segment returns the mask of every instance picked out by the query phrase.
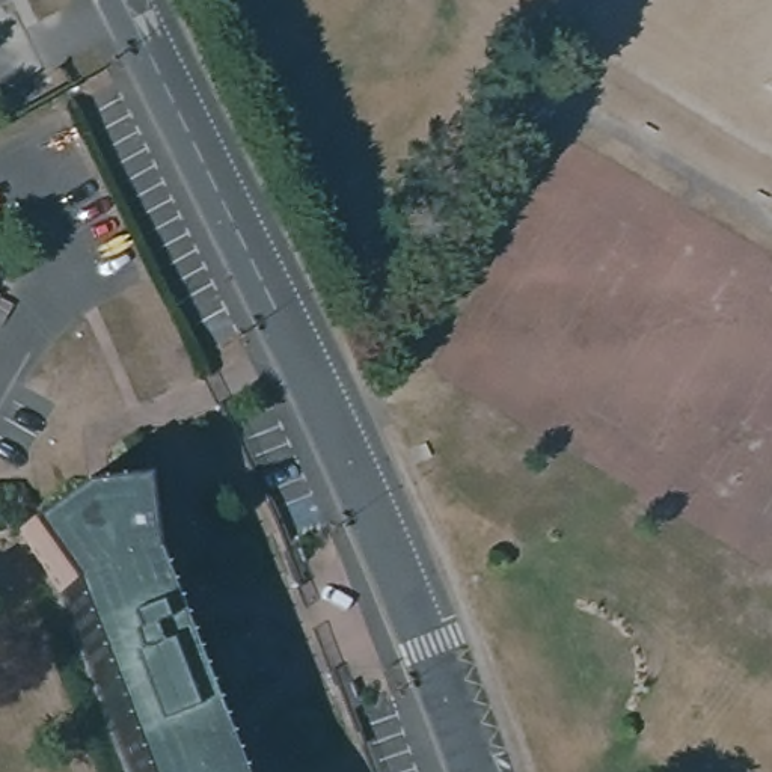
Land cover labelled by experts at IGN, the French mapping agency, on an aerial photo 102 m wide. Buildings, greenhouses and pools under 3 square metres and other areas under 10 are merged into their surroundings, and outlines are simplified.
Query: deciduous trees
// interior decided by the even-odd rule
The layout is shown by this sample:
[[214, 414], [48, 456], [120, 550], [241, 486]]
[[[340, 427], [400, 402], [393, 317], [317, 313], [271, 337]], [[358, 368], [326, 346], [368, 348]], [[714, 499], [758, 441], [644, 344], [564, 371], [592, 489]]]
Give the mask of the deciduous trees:
[[0, 271], [6, 286], [15, 286], [24, 277], [30, 277], [42, 265], [42, 241], [30, 223], [21, 220], [18, 202], [0, 202]]
[[229, 413], [241, 422], [259, 416], [259, 395], [253, 392], [253, 386], [244, 386], [232, 395]]
[[66, 748], [57, 736], [63, 718], [51, 715], [33, 733], [33, 742], [27, 748], [33, 766], [30, 772], [121, 772], [112, 736], [90, 739], [87, 751], [78, 754]]
[[133, 220], [124, 193], [118, 190], [103, 160], [103, 151], [87, 127], [87, 118], [81, 115], [81, 109], [72, 109], [69, 115], [81, 139], [87, 142], [100, 172], [106, 175], [109, 193], [115, 196], [127, 223], [127, 238], [139, 247], [160, 299], [166, 302], [181, 332], [196, 377], [208, 377], [211, 371], [202, 344], [196, 341], [181, 305], [175, 302], [148, 241], [142, 238], [142, 229]]
[[51, 669], [60, 672], [69, 709], [87, 706], [97, 697], [84, 660], [72, 660], [66, 651], [51, 654], [51, 636], [42, 624], [18, 624], [0, 606], [0, 709], [18, 703], [24, 691], [36, 691]]
[[0, 486], [0, 531], [21, 528], [27, 519], [33, 519], [27, 513], [30, 501], [21, 492], [15, 492], [12, 486]]
[[588, 51], [585, 39], [573, 36], [570, 42], [555, 39], [555, 48], [546, 60], [534, 57], [534, 51], [525, 45], [525, 24], [516, 12], [510, 12], [489, 36], [489, 63], [476, 69], [470, 78], [473, 100], [458, 109], [461, 127], [455, 130], [455, 136], [428, 136], [422, 142], [410, 142], [410, 157], [398, 166], [407, 184], [383, 181], [380, 223], [389, 238], [395, 238], [395, 253], [389, 256], [389, 283], [383, 305], [371, 317], [368, 311], [362, 311], [359, 271], [347, 268], [341, 256], [332, 253], [332, 238], [326, 226], [335, 220], [335, 214], [326, 208], [326, 190], [308, 184], [299, 175], [299, 112], [293, 103], [286, 103], [283, 87], [271, 78], [268, 60], [256, 54], [256, 36], [253, 30], [247, 30], [235, 0], [166, 0], [175, 21], [184, 21], [193, 30], [208, 66], [205, 81], [229, 124], [238, 151], [250, 151], [256, 163], [250, 175], [290, 253], [299, 253], [305, 259], [305, 268], [323, 299], [320, 317], [332, 332], [338, 326], [347, 332], [365, 380], [380, 395], [389, 395], [398, 386], [404, 386], [407, 377], [422, 365], [422, 362], [410, 356], [404, 341], [422, 338], [422, 332], [428, 332], [437, 320], [455, 323], [455, 302], [470, 296], [486, 280], [486, 271], [492, 265], [492, 235], [501, 226], [516, 232], [516, 223], [522, 220], [537, 187], [549, 178], [540, 169], [552, 142], [546, 139], [546, 133], [537, 130], [537, 124], [525, 121], [525, 106], [516, 97], [543, 90], [552, 100], [567, 100], [573, 93], [582, 93], [591, 84], [591, 75], [597, 72], [597, 54]]

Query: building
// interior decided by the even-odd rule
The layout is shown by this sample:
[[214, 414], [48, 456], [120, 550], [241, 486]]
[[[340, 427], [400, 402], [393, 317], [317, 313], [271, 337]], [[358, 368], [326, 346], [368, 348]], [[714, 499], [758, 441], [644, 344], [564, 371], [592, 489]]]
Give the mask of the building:
[[42, 519], [33, 519], [27, 519], [21, 528], [21, 543], [42, 564], [51, 585], [48, 597], [54, 597], [57, 612], [72, 624], [84, 648], [84, 660], [97, 697], [106, 703], [109, 727], [121, 736], [124, 754], [136, 772], [250, 772], [250, 757], [244, 751], [244, 742], [226, 703], [232, 697], [247, 697], [250, 685], [238, 679], [235, 654], [226, 648], [223, 618], [208, 615], [202, 594], [190, 594], [178, 582], [172, 555], [160, 534], [154, 473], [124, 470], [115, 476], [97, 476], [69, 486], [63, 501], [57, 501]]

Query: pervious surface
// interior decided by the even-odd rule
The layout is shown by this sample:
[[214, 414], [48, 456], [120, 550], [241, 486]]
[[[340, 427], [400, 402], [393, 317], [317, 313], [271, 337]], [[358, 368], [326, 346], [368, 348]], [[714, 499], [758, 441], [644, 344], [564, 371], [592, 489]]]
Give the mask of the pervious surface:
[[760, 139], [748, 127], [733, 124], [715, 106], [703, 103], [685, 87], [672, 93], [679, 106], [724, 130], [730, 139], [754, 148], [757, 154], [772, 157], [772, 142]]

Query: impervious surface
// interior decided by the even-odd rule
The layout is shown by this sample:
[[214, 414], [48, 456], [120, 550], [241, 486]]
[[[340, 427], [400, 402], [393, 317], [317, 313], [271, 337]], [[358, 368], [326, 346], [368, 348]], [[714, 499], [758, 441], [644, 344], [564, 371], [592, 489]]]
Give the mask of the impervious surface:
[[612, 473], [636, 495], [645, 495], [651, 501], [651, 522], [669, 522], [682, 513], [688, 522], [724, 537], [724, 546], [745, 555], [754, 573], [772, 570], [772, 250], [745, 238], [733, 226], [709, 217], [697, 205], [682, 205], [672, 193], [624, 169], [612, 157], [588, 148], [579, 136], [558, 157], [549, 178], [537, 187], [522, 220], [516, 223], [516, 232], [501, 226], [492, 235], [492, 265], [486, 271], [486, 280], [470, 296], [455, 302], [455, 323], [449, 341], [422, 362], [422, 365], [434, 371], [443, 383], [452, 383], [461, 392], [461, 398], [473, 398], [476, 404], [504, 413], [519, 428], [537, 431], [543, 437], [537, 443], [540, 452], [558, 455], [567, 449], [576, 458], [594, 461], [600, 470]]
[[[350, 745], [356, 748], [368, 772], [516, 772], [519, 766], [498, 727], [498, 715], [492, 709], [489, 691], [483, 685], [470, 648], [467, 624], [449, 597], [431, 543], [383, 443], [380, 431], [386, 425], [386, 410], [383, 404], [371, 404], [362, 398], [332, 332], [320, 317], [323, 299], [305, 268], [305, 259], [299, 253], [290, 253], [250, 175], [256, 163], [250, 151], [238, 151], [229, 124], [205, 81], [208, 66], [193, 30], [184, 21], [175, 21], [166, 0], [0, 0], [0, 202], [18, 202], [21, 220], [30, 223], [42, 241], [42, 265], [30, 277], [24, 277], [15, 286], [6, 286], [0, 271], [0, 486], [12, 486], [15, 492], [21, 492], [30, 501], [27, 513], [33, 519], [42, 519], [57, 501], [63, 501], [69, 486], [97, 476], [100, 467], [127, 452], [127, 437], [145, 425], [196, 419], [217, 410], [229, 413], [232, 395], [244, 386], [253, 386], [253, 392], [259, 395], [259, 416], [241, 422], [241, 461], [247, 470], [277, 458], [293, 458], [290, 473], [277, 476], [277, 489], [283, 492], [283, 501], [293, 513], [296, 537], [283, 537], [268, 501], [259, 504], [256, 516], [274, 552], [274, 564], [290, 591], [293, 609], [302, 621], [308, 648], [320, 669], [335, 718], [341, 721]], [[87, 127], [103, 151], [103, 160], [118, 190], [124, 193], [133, 220], [142, 229], [142, 238], [148, 241], [175, 302], [181, 305], [196, 341], [202, 344], [211, 371], [208, 377], [196, 377], [181, 332], [166, 302], [160, 299], [139, 247], [127, 238], [127, 223], [115, 196], [109, 193], [106, 175], [100, 172], [87, 142], [81, 139], [69, 115], [72, 109], [81, 109], [81, 115], [87, 118]]]

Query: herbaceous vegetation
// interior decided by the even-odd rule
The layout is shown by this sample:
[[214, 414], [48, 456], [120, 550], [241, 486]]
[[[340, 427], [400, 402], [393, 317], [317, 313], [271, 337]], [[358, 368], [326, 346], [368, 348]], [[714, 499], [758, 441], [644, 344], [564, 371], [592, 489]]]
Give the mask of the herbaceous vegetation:
[[42, 624], [51, 636], [51, 654], [66, 651], [72, 660], [84, 660], [84, 648], [72, 624], [57, 612], [54, 597], [48, 597], [51, 585], [42, 564], [21, 543], [21, 528], [0, 531], [0, 606], [18, 624]]
[[338, 326], [332, 332], [362, 398], [371, 404], [383, 404], [386, 410], [386, 425], [380, 431], [383, 443], [431, 543], [449, 597], [467, 624], [470, 648], [483, 685], [489, 691], [492, 709], [498, 715], [498, 727], [519, 766], [516, 772], [772, 772], [772, 570], [754, 573], [745, 555], [724, 546], [724, 537], [688, 522], [682, 513], [669, 522], [651, 522], [651, 501], [645, 495], [636, 495], [612, 473], [600, 470], [594, 461], [576, 458], [567, 449], [558, 455], [540, 452], [537, 443], [543, 437], [537, 431], [519, 428], [504, 413], [476, 404], [473, 398], [461, 398], [461, 392], [452, 383], [443, 383], [434, 371], [422, 365], [407, 377], [404, 386], [398, 386], [389, 395], [380, 395], [365, 380], [347, 332]]
[[241, 422], [229, 413], [217, 410], [196, 419], [145, 425], [127, 437], [127, 452], [100, 467], [97, 476], [115, 476], [124, 470], [154, 473], [160, 534], [172, 555], [178, 582], [190, 594], [202, 594], [208, 615], [223, 618], [226, 648], [235, 654], [238, 679], [250, 685], [247, 697], [232, 697], [226, 703], [244, 742], [244, 751], [250, 757], [250, 772], [368, 772], [356, 748], [350, 745], [341, 721], [335, 718], [320, 669], [308, 648], [302, 621], [293, 609], [290, 591], [274, 564], [274, 552], [256, 516], [259, 504], [268, 501], [283, 537], [296, 537], [293, 513], [283, 501], [283, 492], [277, 489], [277, 476], [290, 473], [293, 458], [277, 458], [247, 470], [241, 461]]
[[422, 332], [422, 338], [404, 341], [410, 356], [422, 362], [449, 341], [455, 323], [437, 320], [428, 332]]
[[455, 130], [461, 127], [458, 109], [473, 100], [470, 78], [476, 69], [489, 63], [489, 36], [510, 12], [516, 12], [525, 24], [525, 45], [534, 51], [534, 57], [546, 60], [555, 48], [555, 39], [570, 42], [573, 36], [585, 39], [588, 51], [597, 54], [597, 72], [591, 75], [591, 84], [582, 93], [573, 93], [567, 100], [552, 100], [543, 90], [516, 97], [525, 106], [525, 121], [537, 124], [537, 130], [546, 133], [546, 139], [552, 142], [540, 169], [549, 178], [558, 157], [579, 136], [588, 148], [612, 157], [624, 169], [672, 193], [682, 205], [697, 205], [709, 217], [733, 226], [745, 238], [772, 250], [772, 157], [757, 154], [754, 148], [730, 139], [724, 130], [679, 106], [672, 93], [685, 87], [703, 103], [715, 106], [733, 124], [748, 127], [760, 139], [772, 142], [772, 0], [235, 0], [247, 30], [253, 30], [256, 36], [256, 54], [268, 60], [271, 78], [283, 87], [286, 103], [293, 103], [299, 112], [299, 175], [308, 184], [326, 190], [326, 208], [335, 214], [335, 220], [326, 226], [332, 238], [332, 253], [341, 256], [347, 268], [359, 271], [362, 311], [368, 311], [371, 317], [383, 305], [389, 283], [389, 256], [395, 253], [395, 238], [389, 238], [380, 223], [383, 181], [407, 184], [398, 166], [410, 157], [410, 142], [422, 142], [428, 136], [455, 136]]
[[136, 772], [124, 754], [121, 736], [109, 727], [106, 703], [97, 697], [87, 706], [69, 709], [60, 672], [51, 669], [36, 691], [24, 691], [18, 703], [0, 709], [0, 772], [30, 772], [33, 766], [27, 748], [33, 742], [33, 733], [51, 715], [63, 718], [57, 736], [66, 748], [78, 754], [87, 751], [90, 739], [112, 736], [121, 772]]

